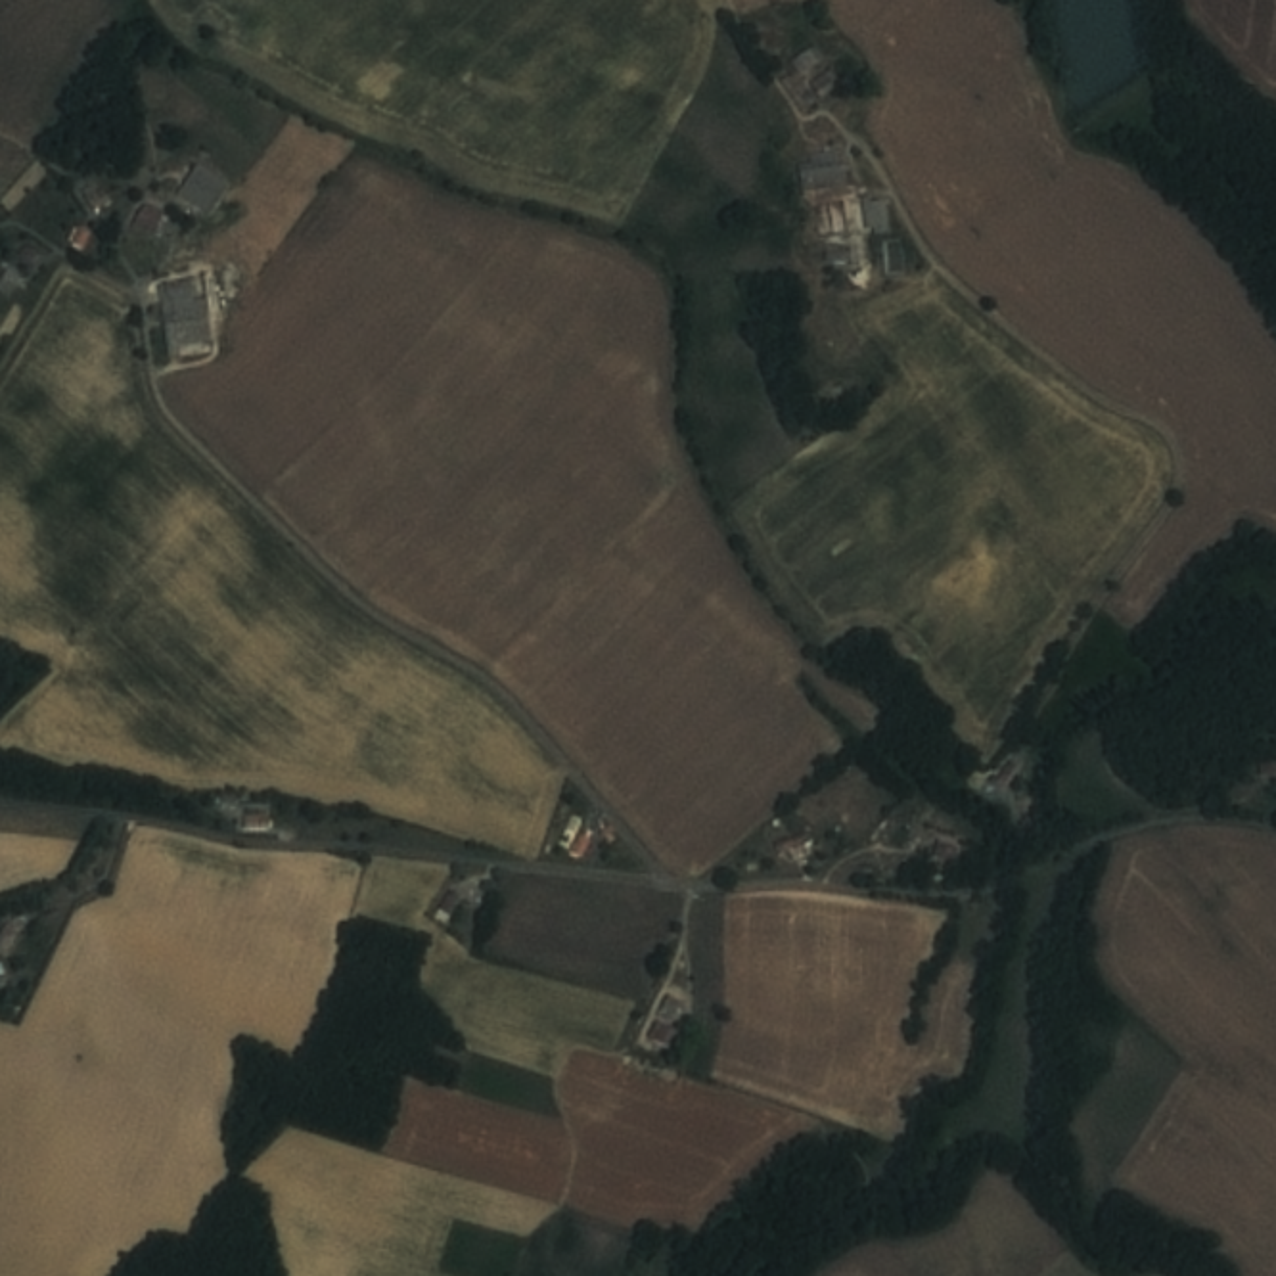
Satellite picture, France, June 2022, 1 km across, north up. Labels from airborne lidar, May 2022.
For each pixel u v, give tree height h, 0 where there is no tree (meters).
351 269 0
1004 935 26
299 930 0
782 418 7
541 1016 0
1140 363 0
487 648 0
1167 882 0
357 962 18
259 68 0
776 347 14
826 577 0
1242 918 0
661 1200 0
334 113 0
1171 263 0
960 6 0
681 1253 17
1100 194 0
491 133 0
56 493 0
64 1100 0
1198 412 0
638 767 0
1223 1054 0
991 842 15
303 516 0
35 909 18
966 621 0
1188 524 0
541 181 0
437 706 0
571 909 0
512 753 0
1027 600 0
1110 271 0
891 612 0
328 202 0
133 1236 0
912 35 0
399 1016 22
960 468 0
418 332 0
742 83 0
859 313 0
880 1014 0
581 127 0
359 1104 18
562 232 0
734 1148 0
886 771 17
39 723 0
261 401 0
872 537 0
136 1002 0
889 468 0
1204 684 24
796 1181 18
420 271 0
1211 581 28
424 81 0
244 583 0
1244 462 0
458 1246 0
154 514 0
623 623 0
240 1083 8
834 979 0
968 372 0
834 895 0
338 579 0
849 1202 23
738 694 0
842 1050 0
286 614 0
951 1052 0
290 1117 13
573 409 0
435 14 0
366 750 0
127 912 0
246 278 0
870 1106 0
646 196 0
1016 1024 0
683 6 0
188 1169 0
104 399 0
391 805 0
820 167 0
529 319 0
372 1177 0
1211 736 17
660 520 0
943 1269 0
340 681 0
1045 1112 23
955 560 0
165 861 0
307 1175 0
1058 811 14
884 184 0
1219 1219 0
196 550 0
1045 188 0
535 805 0
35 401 0
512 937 0
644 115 0
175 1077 0
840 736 0
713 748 0
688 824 0
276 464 0
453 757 0
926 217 0
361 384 0
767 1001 0
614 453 0
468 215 0
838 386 0
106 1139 0
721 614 0
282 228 0
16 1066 0
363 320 0
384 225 0
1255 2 0
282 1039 0
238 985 0
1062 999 15
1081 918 11
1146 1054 0
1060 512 0
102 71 19
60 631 0
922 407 0
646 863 0
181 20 0
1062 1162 24
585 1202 0
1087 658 0
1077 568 0
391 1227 0
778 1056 0
